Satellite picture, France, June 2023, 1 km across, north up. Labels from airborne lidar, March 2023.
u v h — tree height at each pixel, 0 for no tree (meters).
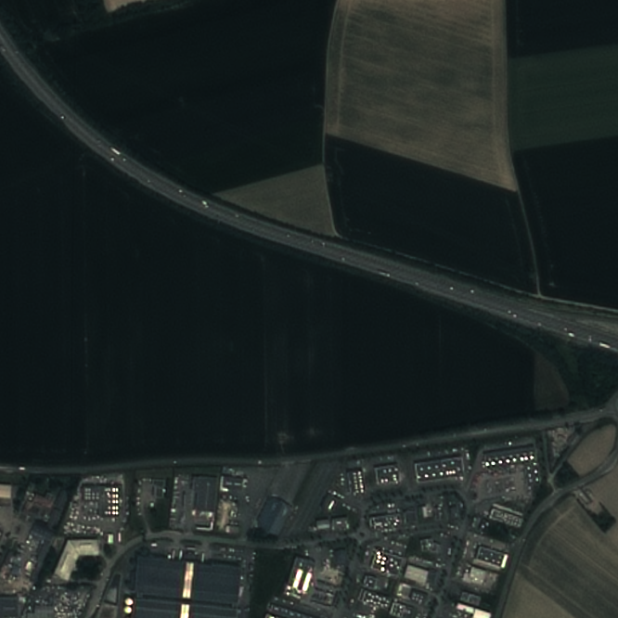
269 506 0
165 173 9
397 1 0
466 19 0
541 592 0
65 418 0
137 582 0
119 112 0
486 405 0
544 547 0
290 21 0
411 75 0
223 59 0
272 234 0
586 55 0
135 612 0
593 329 0
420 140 0
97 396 0
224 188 0
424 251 0
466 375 0
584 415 0
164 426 0
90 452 0
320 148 0
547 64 0
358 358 0
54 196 0
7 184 0
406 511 0
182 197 0
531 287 0
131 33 0
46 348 0
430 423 0
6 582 0
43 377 0
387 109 0
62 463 0
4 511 0
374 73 0
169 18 0
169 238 0
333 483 0
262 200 0
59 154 0
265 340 0
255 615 0
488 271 0
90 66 0
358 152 0
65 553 0
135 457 0
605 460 0
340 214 0
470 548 0
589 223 0
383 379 0
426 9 0
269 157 0
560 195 0
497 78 0
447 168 0
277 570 0
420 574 0
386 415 0
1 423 0
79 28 10
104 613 0
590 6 0
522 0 0
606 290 0
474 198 0
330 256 0
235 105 0
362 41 0
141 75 0
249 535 9
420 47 0
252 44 0
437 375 0
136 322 0
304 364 0
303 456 0
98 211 0
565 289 0
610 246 0
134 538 0
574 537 0
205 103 0
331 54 0
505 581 0
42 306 0
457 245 0
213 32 0
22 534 0
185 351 0
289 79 0
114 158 0
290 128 0
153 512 11
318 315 0
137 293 0
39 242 0
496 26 0
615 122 0
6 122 0
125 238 0
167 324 0
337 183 0
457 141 0
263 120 0
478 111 0
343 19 0
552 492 0
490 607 0
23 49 11
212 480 0
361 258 0
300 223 0
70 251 0
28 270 0
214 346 0
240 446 0
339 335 0
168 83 0
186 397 0
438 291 0
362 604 0
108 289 0
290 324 0
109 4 0
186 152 0
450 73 0
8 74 11
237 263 0
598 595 0
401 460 0
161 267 0
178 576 0
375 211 0
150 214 0
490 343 0
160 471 0
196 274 0
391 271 0
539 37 0
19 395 0
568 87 0
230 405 0
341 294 0
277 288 0
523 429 0
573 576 0
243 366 0
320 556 0
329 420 0
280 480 0
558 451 0
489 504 0
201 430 0
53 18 0
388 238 0
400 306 0
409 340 0
